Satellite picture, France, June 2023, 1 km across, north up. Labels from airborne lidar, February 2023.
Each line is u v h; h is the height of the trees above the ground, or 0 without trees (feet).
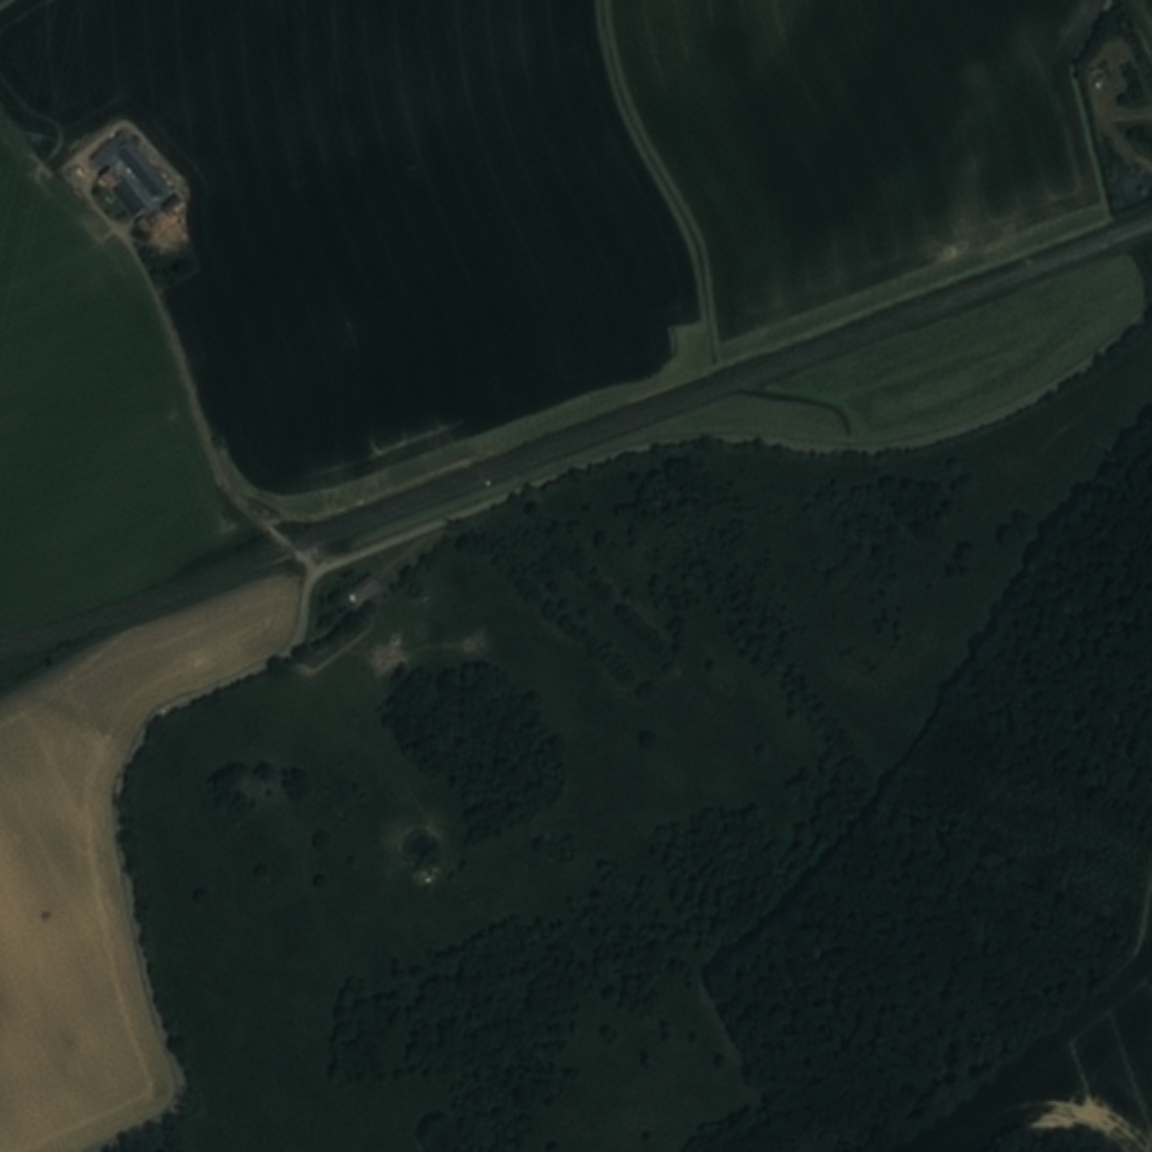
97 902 0
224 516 0
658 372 0
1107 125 0
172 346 0
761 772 0
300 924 0
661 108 0
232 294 0
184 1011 0
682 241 0
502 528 0
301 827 0
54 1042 0
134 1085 0
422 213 0
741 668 0
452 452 0
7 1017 0
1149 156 0
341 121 0
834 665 0
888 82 0
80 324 0
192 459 0
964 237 0
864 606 0
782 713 0
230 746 0
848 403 0
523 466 0
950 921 97
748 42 0
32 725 0
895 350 0
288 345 0
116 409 0
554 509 0
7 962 0
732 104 0
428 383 0
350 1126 0
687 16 0
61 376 0
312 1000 0
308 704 0
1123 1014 0
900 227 0
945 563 0
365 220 0
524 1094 58
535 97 0
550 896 0
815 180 0
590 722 0
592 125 0
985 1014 88
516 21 0
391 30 0
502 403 0
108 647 0
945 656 0
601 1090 0
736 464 0
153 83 0
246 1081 0
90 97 0
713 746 0
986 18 0
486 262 0
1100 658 91
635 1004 45
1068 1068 0
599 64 0
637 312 0
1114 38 0
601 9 0
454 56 0
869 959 91
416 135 0
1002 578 0
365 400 0
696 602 26
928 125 0
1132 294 0
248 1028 0
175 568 0
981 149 0
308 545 0
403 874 0
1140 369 0
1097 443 0
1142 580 91
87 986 0
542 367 0
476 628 0
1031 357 0
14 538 0
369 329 0
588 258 0
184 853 0
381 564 0
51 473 0
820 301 0
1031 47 0
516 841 0
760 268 0
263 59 0
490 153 0
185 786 0
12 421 0
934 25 0
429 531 0
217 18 0
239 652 0
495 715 40
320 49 0
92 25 0
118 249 0
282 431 0
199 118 0
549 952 21
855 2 0
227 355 0
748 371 0
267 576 0
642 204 0
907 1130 63
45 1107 0
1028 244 0
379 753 0
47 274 0
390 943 0
